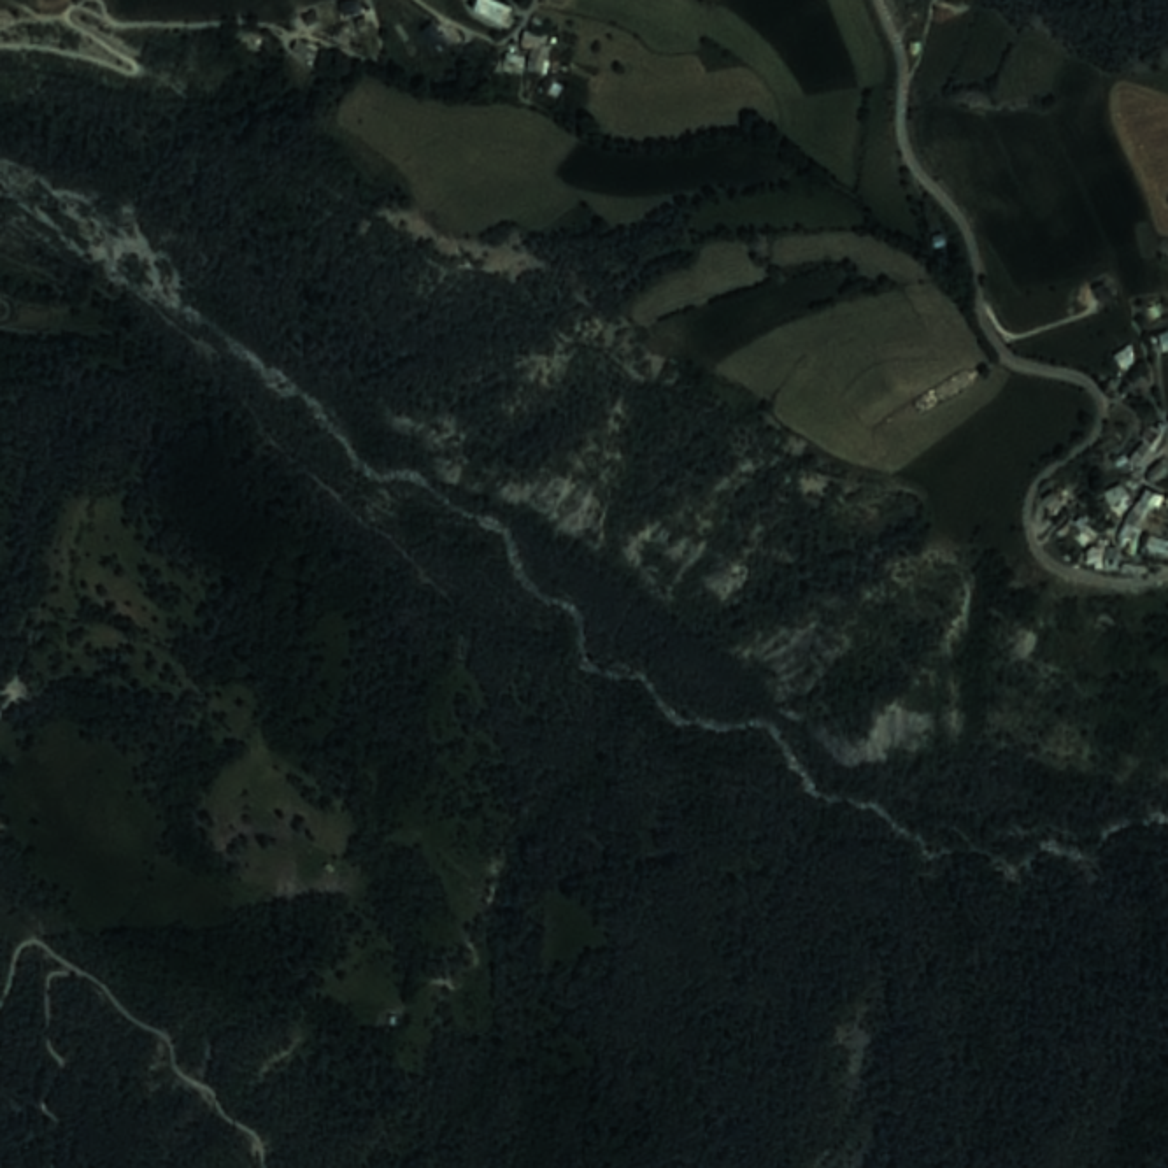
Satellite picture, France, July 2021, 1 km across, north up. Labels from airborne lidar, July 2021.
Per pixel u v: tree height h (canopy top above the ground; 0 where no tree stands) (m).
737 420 6
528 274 6
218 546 25
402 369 11
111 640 0
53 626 9
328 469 8
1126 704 10
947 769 9
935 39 0
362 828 12
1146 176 0
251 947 16
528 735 12
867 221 7
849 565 7
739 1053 6
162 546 7
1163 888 12
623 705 12
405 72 19
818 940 12
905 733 0
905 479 0
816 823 11
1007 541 0
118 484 6
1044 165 0
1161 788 7
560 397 7
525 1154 9
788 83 0
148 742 7
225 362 8
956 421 0
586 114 14
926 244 9
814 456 11
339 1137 9
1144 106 0
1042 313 0
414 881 8
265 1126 10
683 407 6
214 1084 7
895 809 6
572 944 0
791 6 0
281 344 8
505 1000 10
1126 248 0
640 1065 14
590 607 7
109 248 0
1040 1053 10
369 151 0
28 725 9
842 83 0
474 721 12
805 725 8
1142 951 8
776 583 10
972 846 6
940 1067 11
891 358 0
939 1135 12
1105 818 10
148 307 6
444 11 0
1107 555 0
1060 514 7
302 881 0
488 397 7
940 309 0
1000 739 11
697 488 8
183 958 13
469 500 7
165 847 6
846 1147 7
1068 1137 10
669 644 9
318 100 9
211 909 0
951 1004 12
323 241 10
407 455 8
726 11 0
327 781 14
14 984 6
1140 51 7
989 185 0
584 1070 6
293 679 16
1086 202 0
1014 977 12
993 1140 11
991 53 0
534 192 0
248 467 25
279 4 0
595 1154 10
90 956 8
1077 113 0
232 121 18
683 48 0
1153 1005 13
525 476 6
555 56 9
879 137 0
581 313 6
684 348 0
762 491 6
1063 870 8
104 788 0
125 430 14
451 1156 10
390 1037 16
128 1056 9
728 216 0
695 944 14
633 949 14
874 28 0
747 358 0
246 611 18
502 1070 14
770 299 0
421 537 7
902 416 0
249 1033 7
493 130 0
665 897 17
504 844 7
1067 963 15
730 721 11
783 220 0
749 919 11
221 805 0
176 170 14
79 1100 15
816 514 9
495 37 13
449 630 9
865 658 6
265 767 0
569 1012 10
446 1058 10
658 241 10
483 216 0
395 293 10
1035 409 0
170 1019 7
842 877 16
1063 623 6
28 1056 7
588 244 10
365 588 12
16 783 0
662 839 16
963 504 0
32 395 14
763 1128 9
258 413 9
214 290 7
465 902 0
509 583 7
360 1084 13
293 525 13
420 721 11
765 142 16
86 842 0
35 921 0
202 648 15
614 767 14
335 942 7
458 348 14
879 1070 10
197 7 0
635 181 0
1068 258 0
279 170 11
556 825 13
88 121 14
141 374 13
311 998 14
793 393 0
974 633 10
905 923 16
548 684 7
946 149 0
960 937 9
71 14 0
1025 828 13
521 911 16
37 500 13
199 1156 16
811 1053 9
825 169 13
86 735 10
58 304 6
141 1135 14
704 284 0
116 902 0
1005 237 0
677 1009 12
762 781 11
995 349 8
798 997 12
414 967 10
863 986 13
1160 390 8
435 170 0
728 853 10
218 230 19
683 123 0
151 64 6
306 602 15
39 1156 9
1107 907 12
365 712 14
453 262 6
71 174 11
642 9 0
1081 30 11
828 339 0
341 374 12
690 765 8
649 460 10
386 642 9
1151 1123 12
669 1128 14
